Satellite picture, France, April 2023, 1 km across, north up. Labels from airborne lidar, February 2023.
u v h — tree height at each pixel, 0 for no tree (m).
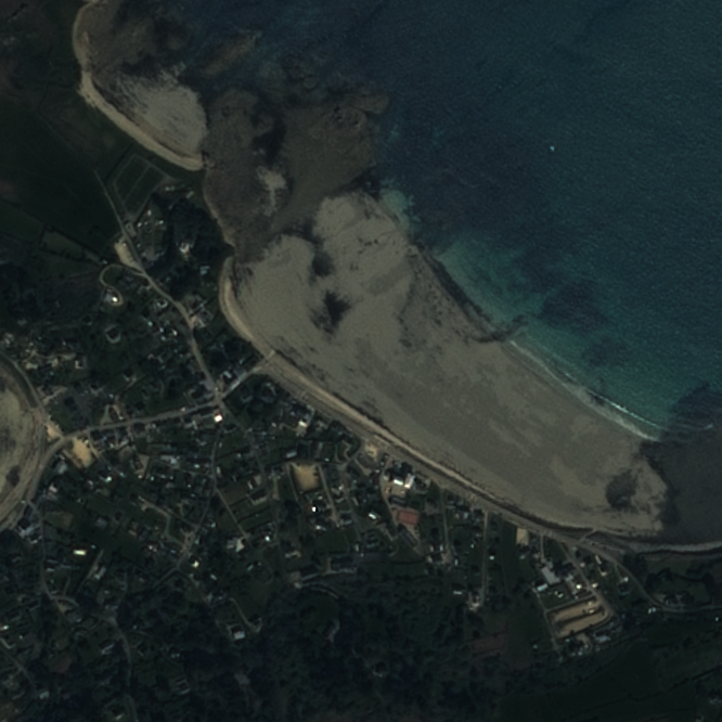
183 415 0
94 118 0
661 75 0
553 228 0
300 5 0
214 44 0
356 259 0
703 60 0
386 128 0
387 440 0
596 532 0
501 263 0
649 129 0
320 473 0
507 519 0
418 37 0
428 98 0
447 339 0
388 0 0
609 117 0
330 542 0
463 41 0
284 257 0
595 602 0
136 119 0
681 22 0
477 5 0
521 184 0
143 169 0
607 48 0
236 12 0
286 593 7
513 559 0
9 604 0
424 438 0
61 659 0
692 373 0
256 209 0
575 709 0
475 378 0
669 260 0
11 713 0
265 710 9
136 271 0
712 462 0
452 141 0
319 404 0
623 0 0
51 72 0
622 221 0
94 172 0
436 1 0
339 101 0
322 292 0
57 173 0
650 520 0
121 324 16
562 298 0
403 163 0
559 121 0
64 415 0
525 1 0
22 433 0
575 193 0
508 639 0
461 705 18
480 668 0
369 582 12
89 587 0
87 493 10
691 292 0
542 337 0
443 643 12
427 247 0
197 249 11
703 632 0
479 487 0
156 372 22
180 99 0
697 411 0
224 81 0
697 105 0
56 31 0
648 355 0
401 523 0
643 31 0
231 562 6
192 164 0
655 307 0
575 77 0
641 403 0
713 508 0
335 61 0
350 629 25
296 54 0
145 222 0
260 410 14
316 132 0
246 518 0
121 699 13
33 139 0
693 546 0
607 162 0
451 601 0
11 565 12
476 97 0
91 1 0
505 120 0
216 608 15
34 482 0
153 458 0
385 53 0
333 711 9
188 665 15
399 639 22
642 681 0
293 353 0
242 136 0
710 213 0
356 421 0
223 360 17
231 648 9
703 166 0
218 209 0
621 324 0
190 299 0
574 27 0
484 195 0
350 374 0
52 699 9
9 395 0
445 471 0
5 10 0
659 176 0
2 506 0
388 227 0
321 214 0
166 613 17
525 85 0
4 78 0
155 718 20
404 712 9
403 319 0
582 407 0
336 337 0
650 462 0
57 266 0
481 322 0
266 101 0
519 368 0
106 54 0
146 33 0
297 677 9
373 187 0
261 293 0
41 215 0
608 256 0
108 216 0
